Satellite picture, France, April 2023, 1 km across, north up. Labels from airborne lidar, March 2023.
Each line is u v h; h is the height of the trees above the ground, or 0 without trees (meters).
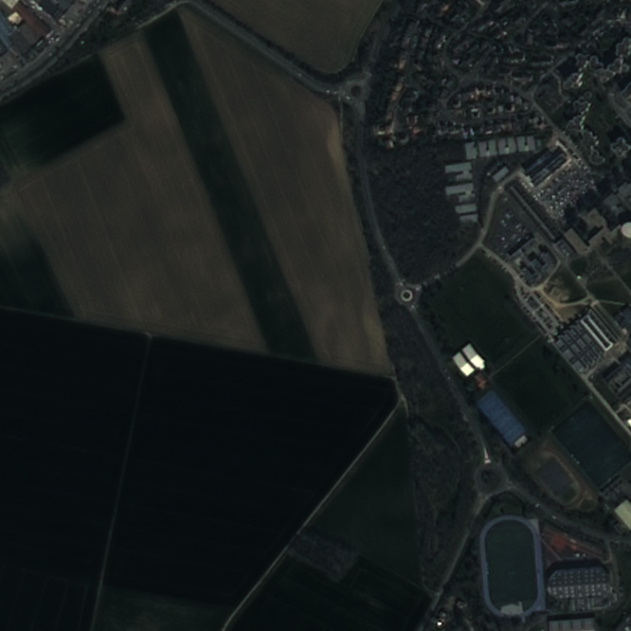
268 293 0
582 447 0
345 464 0
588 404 0
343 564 25
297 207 0
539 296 0
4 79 0
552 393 0
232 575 0
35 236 0
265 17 0
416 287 0
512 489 0
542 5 0
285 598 0
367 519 0
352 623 0
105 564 0
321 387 0
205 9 0
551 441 0
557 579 0
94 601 0
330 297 0
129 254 0
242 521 0
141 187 0
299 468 0
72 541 0
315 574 0
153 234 0
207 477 0
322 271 0
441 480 11
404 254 7
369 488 0
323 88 0
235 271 0
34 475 0
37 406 0
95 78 0
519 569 0
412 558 0
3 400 0
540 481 0
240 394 0
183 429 0
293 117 0
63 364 0
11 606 0
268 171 0
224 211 0
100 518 0
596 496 0
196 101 0
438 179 8
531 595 0
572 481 0
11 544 0
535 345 0
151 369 0
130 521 0
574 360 0
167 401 0
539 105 0
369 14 0
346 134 0
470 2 0
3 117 0
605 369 0
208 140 0
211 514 0
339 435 0
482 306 0
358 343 0
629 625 0
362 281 0
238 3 0
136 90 0
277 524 0
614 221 19
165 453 0
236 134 0
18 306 0
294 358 0
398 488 0
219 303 0
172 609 0
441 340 15
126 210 0
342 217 0
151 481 0
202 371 0
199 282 0
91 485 0
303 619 0
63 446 0
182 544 0
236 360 0
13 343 0
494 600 0
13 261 0
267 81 0
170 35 0
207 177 0
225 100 0
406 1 12
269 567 0
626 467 0
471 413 0
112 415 0
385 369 0
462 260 0
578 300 0
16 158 0
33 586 0
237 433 0
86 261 0
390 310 8
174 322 0
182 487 0
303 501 0
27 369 0
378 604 0
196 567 0
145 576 0
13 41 0
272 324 0
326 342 0
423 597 0
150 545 0
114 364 0
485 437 0
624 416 0
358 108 0
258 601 0
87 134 0
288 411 0
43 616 0
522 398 0
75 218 0
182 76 0
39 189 0
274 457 0
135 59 0
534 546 0
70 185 0
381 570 0
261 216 0
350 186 0
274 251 0
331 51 0
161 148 0
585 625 0
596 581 0
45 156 0
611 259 10
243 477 0
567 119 0
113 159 0
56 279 0
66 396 0
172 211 0
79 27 0
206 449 0
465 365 0
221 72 0
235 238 0
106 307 0
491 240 0
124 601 0
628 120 0
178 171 0
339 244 0
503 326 0
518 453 11
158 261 0
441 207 10
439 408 0
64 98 0
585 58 0
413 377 12
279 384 0
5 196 0
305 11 0
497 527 0
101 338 0
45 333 0
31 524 0
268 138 0
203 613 0
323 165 0
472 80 0
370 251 11
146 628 0
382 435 0
